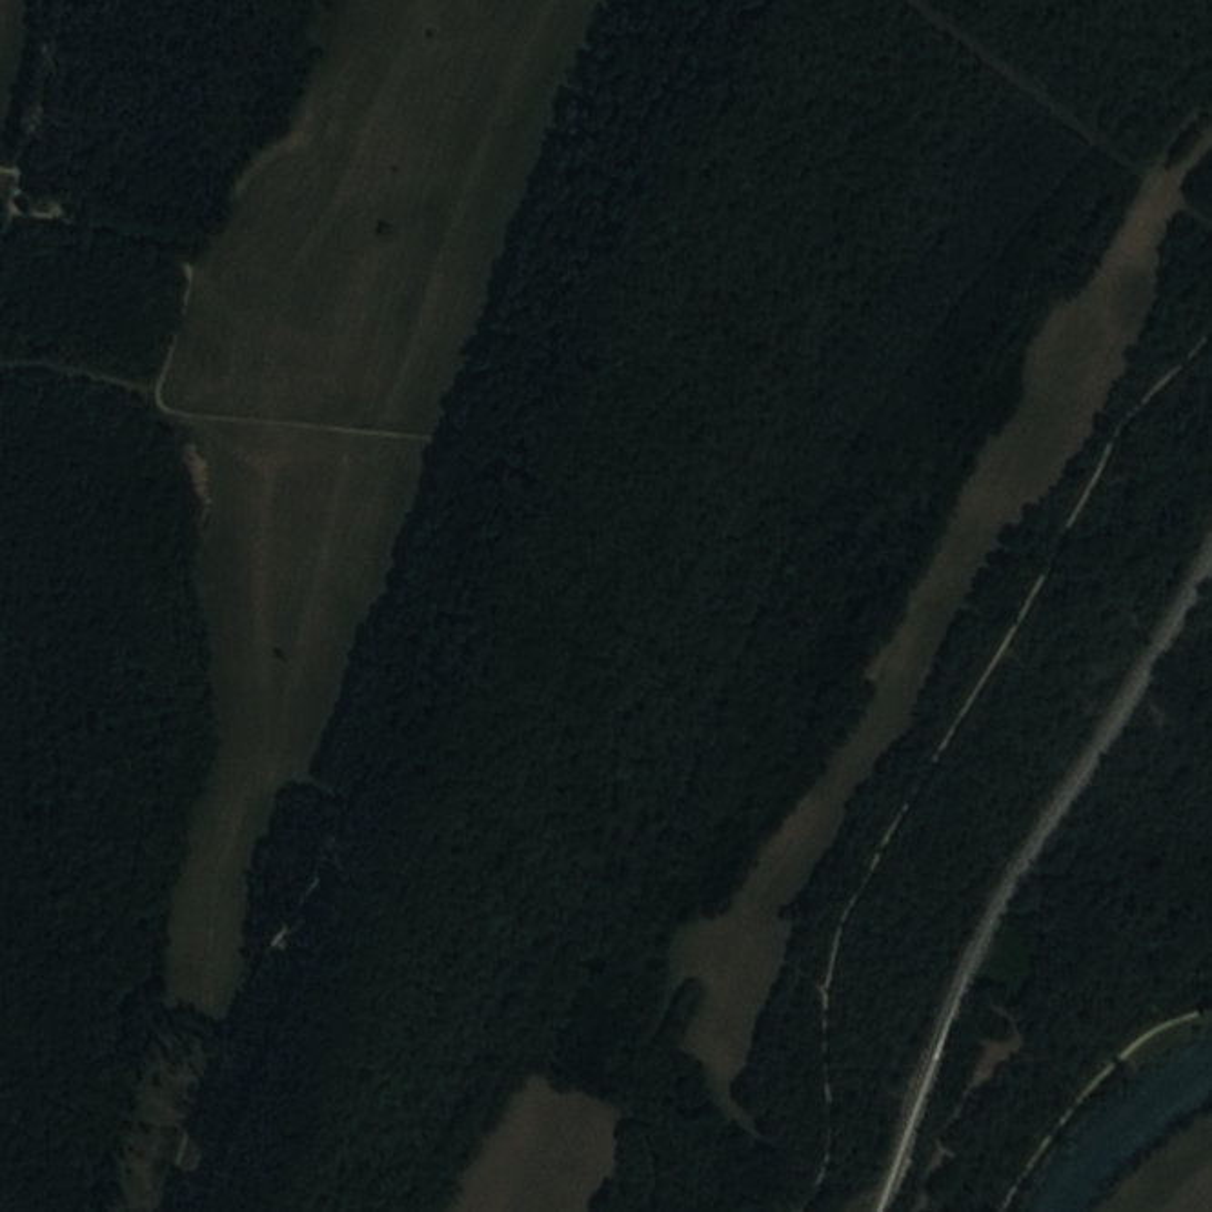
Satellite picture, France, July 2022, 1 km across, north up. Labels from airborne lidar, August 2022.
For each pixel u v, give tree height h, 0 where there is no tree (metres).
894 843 9
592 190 24
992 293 15
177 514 16
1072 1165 0
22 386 17
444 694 19
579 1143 0
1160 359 7
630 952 24
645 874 20
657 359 18
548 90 0
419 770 20
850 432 13
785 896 0
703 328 16
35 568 14
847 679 12
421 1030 11
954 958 13
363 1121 12
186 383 0
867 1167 14
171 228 24
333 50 0
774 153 16
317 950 24
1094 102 18
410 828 14
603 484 19
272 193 0
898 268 10
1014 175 13
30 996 18
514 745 15
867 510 22
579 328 20
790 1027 15
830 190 13
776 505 17
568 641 17
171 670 19
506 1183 0
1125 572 10
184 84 18
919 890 10
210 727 19
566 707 18
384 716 20
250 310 0
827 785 0
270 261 0
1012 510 0
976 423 11
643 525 17
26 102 21
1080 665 12
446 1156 19
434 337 0
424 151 0
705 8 21
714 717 15
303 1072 22
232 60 14
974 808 14
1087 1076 16
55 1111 14
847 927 8
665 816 15
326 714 0
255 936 21
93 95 19
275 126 20
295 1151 17
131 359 13
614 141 27
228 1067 17
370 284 0
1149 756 8
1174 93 17
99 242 21
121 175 18
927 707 9
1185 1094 0
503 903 12
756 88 17
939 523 22
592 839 17
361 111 0
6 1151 16
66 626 16
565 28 0
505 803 15
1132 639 10
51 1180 16
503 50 0
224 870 0
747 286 18
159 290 13
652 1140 14
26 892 15
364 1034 14
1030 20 15
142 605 19
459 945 14
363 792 29
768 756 21
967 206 12
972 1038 11
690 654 11
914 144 15
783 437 12
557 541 18
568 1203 0
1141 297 0
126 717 14
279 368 0
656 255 14
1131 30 16
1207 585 12
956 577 0
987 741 12
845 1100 16
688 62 7
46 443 16
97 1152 27
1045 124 12
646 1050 28
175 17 12
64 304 15
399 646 20
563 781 9
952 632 11
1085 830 9
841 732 12
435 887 13
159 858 23
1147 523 9
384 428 0
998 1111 21
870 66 11
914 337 13
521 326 23
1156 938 10
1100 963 14
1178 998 8
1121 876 14
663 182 20
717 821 11
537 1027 18
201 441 0
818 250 12
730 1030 0
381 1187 16
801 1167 16
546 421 20
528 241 21
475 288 0
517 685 16
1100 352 0
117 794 12
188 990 0
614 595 17
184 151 21
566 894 9
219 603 0
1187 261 19
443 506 22
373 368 0
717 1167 17
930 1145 6
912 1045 8
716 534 11
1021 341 9
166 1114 0
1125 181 8
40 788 19
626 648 11
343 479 0
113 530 18
